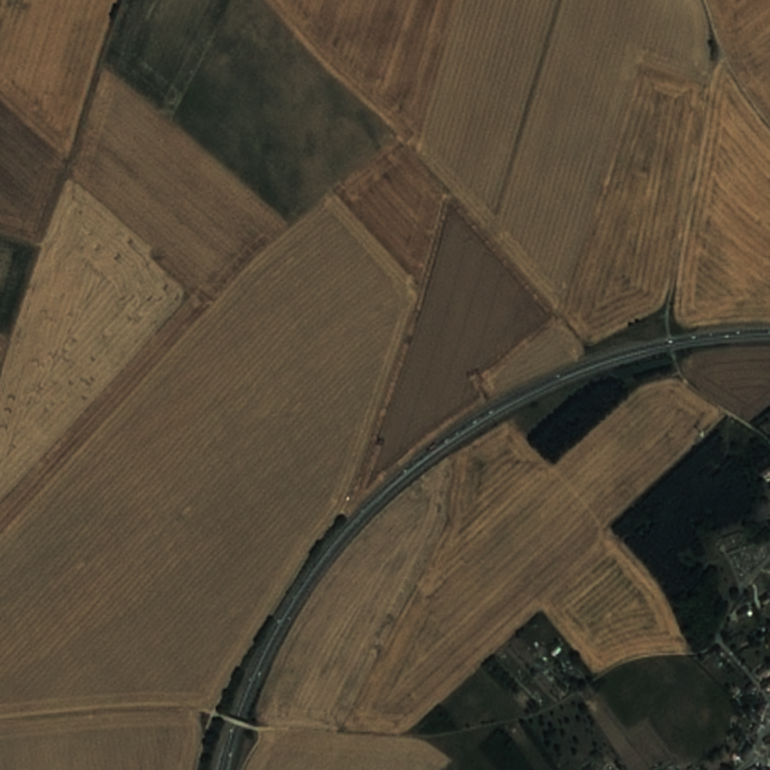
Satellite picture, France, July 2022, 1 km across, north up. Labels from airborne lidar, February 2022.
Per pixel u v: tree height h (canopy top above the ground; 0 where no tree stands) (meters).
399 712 0
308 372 0
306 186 0
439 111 0
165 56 0
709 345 0
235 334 0
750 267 0
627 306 0
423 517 0
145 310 0
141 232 0
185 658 0
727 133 0
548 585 0
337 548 0
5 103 0
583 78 0
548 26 0
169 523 0
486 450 0
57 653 0
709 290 0
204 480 0
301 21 0
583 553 0
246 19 0
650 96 0
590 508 0
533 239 0
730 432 0
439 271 0
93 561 0
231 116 0
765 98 0
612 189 0
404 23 0
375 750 0
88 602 0
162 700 0
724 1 0
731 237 0
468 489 0
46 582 0
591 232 0
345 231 0
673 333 0
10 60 0
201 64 0
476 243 0
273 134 0
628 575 0
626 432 0
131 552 0
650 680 0
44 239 0
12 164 0
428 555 0
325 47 0
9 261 0
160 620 0
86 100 0
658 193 0
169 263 0
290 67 0
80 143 0
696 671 0
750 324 0
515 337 0
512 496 0
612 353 0
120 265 0
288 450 0
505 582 0
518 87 0
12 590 0
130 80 0
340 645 0
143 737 0
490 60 0
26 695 0
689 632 14
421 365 0
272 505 0
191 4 0
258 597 0
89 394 0
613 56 0
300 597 0
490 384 0
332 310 0
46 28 0
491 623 0
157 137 0
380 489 0
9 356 0
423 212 0
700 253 0
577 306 0
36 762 0
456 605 0
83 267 0
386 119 0
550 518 0
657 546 9
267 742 0
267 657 0
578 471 0
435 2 0
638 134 0
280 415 0
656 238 0
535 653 0
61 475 0
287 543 0
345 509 0
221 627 0
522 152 0
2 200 0
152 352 0
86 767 0
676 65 0
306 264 0
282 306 0
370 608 0
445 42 0
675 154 0
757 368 0
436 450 0
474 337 0
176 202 0
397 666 0
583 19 0
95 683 0
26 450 0
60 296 0
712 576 14
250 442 0
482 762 0
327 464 0
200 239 0
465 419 0
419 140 0
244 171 0
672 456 0
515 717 0
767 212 0
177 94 0
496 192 0
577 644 0
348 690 0
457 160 0
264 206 0
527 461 0
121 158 0
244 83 0
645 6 0
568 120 0
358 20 0
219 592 0
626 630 0
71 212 0
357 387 0
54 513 0
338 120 0
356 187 0
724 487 10
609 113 0
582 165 0
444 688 0
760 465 12
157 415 0
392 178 0
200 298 0
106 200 0
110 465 0
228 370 0
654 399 0
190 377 0
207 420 0
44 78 0
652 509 9
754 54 0
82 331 0
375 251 0
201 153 0
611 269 0
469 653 0
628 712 0
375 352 0
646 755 0
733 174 0
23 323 0
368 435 0
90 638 0
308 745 0
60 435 0
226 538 0
